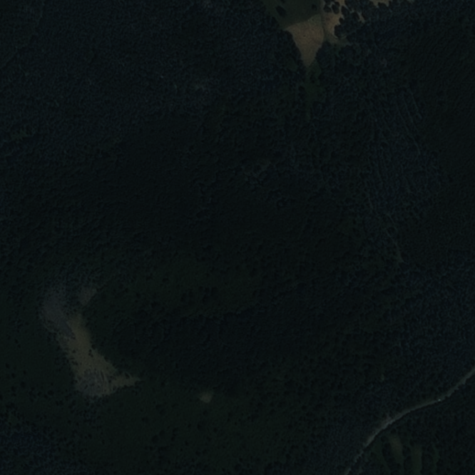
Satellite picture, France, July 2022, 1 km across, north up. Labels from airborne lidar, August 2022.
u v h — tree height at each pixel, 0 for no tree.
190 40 20
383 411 14
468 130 6
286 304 29
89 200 26
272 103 25
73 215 16
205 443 8
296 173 29
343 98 20
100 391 0
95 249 15
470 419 17
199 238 18
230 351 24
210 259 23
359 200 7
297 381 7
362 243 8
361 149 19
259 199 29
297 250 17
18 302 11
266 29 27
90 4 27
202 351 24
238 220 28
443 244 11
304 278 17
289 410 10
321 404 21
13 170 24
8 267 13
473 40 12
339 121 20
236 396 12
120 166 22
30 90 27
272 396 9
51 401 7
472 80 6
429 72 11
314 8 11
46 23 25
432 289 26
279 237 21
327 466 23
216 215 28
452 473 14
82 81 24
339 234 16
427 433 21
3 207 22
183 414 7
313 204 22
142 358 11
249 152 22
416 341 27
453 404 13
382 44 20
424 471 14
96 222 12
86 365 0
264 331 27
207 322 29
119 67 25
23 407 7
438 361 26
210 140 22
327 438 17
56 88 23
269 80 6
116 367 7
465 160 6
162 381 11
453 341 25
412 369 19
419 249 9
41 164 21
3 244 10
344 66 25
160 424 7
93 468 8
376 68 20
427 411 9
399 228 10
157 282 9
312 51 0
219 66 26
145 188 23
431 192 20
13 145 28
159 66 23
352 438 23
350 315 23
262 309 23
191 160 24
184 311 8
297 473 15
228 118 17
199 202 24
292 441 10
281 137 19
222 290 8
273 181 30
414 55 8
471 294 21
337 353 17
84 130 24
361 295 27
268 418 10
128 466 7
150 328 16
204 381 18
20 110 21
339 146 14
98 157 22
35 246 12
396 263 8
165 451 18
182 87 23
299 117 12
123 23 26
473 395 8
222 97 25
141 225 21
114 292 14
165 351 27
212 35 23
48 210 18
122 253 6
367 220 18
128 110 28
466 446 16
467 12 19
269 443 9
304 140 23
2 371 7
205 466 18
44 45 27
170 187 25
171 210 21
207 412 14
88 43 25
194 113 21
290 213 25
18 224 19
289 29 0
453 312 21
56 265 9
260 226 25
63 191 22
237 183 26
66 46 22
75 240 18
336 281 30
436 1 20
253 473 15
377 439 8
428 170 22
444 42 10
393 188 22
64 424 7
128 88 23
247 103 19
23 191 22
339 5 9
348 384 23
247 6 26
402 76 11
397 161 26
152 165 28
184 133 28
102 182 25
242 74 25
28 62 26
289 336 21
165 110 23
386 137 23
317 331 16
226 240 26
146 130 28
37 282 7
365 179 21
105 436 6
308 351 19
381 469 6
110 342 10
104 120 28
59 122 21
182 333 29
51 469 16
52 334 7
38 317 7
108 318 9
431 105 7
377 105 23
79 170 18
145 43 27
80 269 5
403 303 6
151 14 29
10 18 21
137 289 8
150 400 6
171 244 20
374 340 20
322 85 16
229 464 8
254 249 21
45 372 5
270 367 8
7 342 6
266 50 28
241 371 18
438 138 9
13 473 12
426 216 8
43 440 19
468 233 6
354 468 18
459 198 9
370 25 21
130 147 26
